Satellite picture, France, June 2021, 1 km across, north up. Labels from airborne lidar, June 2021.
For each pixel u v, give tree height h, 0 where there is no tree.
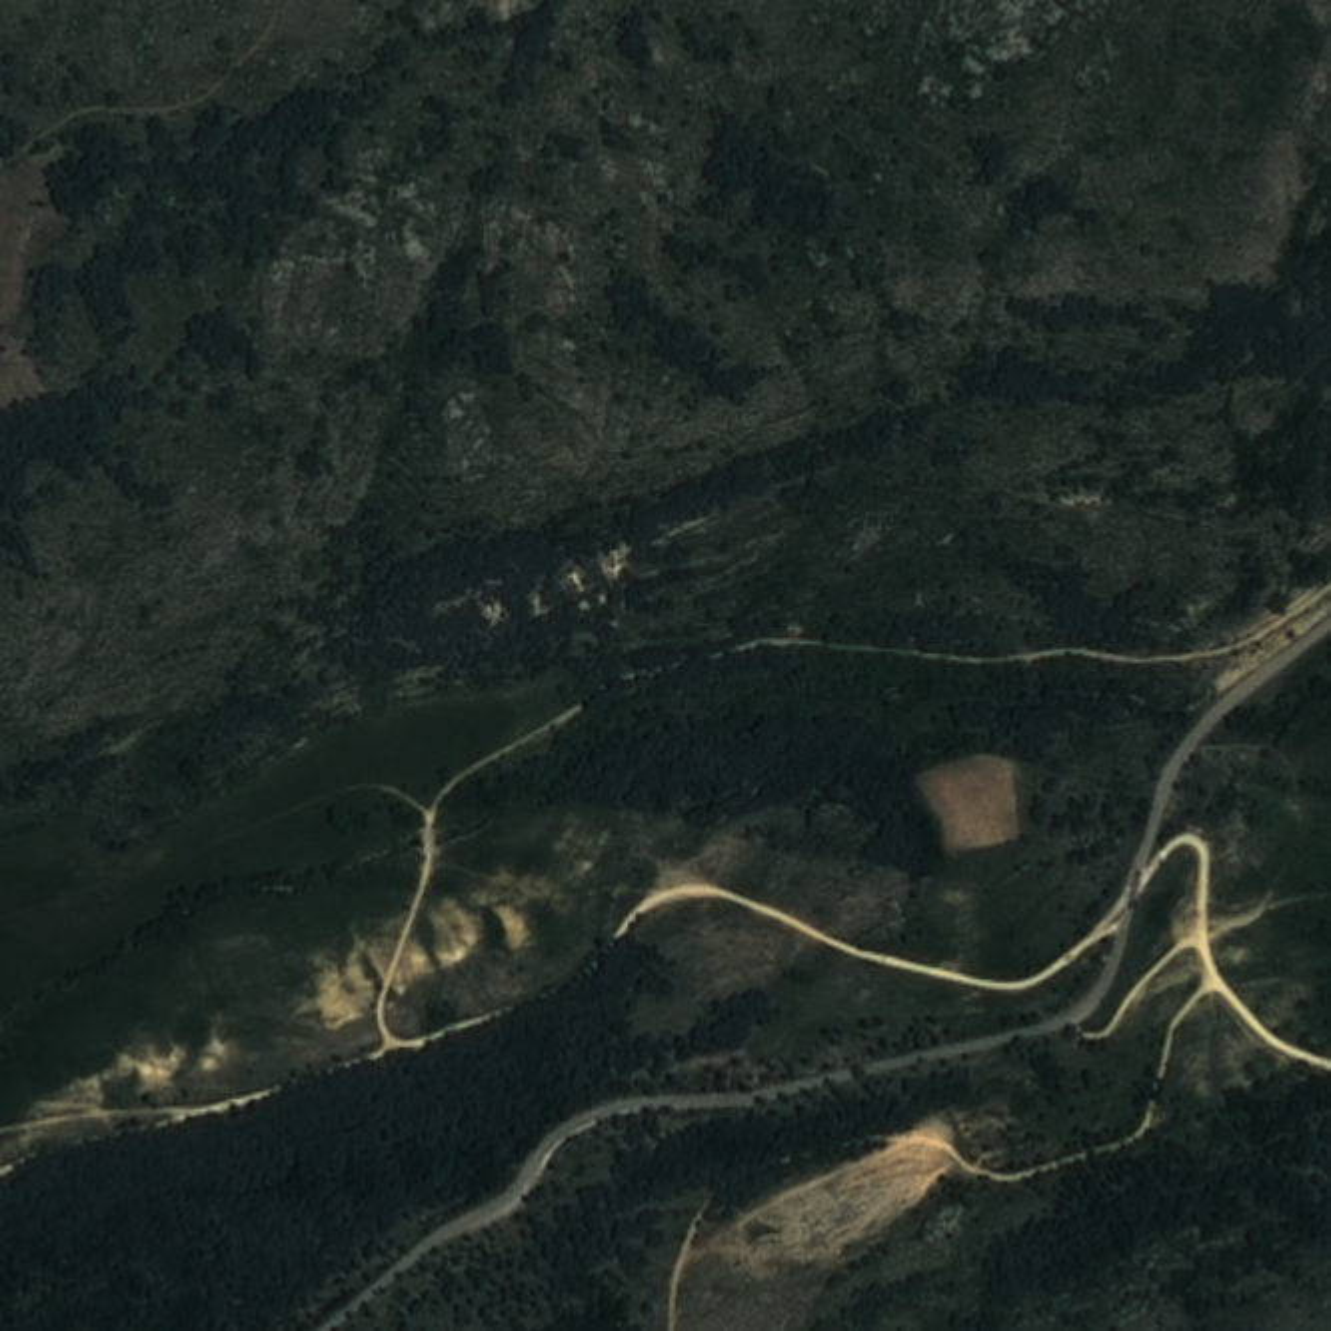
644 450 0
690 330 7
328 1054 0
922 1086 9
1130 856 0
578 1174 6
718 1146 9
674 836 0
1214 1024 0
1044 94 0
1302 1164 13
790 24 0
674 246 8
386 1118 15
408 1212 13
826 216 10
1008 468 0
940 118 0
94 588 0
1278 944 0
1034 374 10
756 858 0
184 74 0
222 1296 10
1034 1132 7
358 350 0
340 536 7
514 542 8
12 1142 0
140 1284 11
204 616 0
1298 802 0
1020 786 0
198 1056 0
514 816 0
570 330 6
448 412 0
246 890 7
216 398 5
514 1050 17
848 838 0
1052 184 8
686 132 0
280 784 0
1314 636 0
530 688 0
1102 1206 6
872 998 0
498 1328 8
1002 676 7
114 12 0
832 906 0
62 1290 8
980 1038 0
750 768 13
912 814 12
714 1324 0
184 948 0
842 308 0
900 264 0
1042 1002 0
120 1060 0
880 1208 0
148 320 0
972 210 0
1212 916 0
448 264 8
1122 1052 0
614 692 13
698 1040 12
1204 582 0
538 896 0
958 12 0
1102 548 0
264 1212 14
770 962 0
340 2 0
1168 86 0
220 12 0
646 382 0
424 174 0
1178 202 0
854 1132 7
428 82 0
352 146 0
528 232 0
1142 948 0
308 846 0
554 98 0
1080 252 0
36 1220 15
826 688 8
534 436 0
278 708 10
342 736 0
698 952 0
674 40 0
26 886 0
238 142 7
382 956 0
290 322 0
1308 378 7
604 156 0
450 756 0
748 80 0
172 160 9
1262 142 0
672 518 9
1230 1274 7
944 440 6
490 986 0
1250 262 0
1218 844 0
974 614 7
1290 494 7
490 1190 12
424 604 9
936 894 0
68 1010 0
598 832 0
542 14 6
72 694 0
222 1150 16
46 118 0
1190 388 7
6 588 0
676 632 7
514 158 0
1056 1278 6
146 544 0
